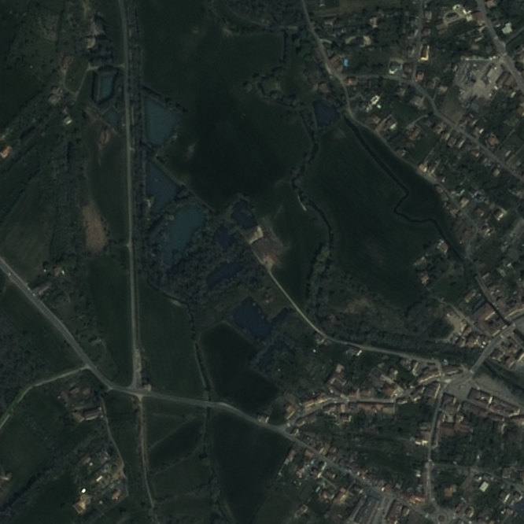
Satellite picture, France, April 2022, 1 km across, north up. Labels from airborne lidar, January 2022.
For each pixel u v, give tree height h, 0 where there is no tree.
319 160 0
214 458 0
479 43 0
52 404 0
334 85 0
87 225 0
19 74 0
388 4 0
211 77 0
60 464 21
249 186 0
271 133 0
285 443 0
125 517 20
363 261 0
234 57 0
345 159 0
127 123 0
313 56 13
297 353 15
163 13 0
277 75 17
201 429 11
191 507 0
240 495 0
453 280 15
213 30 0
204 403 0
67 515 0
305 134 0
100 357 6
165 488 0
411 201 0
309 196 0
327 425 0
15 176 0
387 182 0
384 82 15
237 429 0
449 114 0
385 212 0
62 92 0
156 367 0
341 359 0
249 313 0
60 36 6
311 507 0
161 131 0
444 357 0
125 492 0
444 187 0
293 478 0
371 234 0
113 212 0
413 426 0
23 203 0
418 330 13
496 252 0
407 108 0
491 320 0
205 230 14
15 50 15
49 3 0
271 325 0
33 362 25
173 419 0
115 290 0
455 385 0
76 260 18
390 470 0
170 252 0
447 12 0
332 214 0
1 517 24
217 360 0
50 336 0
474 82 0
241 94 0
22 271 0
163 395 0
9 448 0
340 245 0
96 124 0
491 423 18
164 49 0
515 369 0
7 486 15
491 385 0
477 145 0
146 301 0
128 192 0
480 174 0
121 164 0
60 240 8
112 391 0
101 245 0
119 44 0
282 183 0
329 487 0
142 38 0
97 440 6
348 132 0
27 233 0
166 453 0
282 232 0
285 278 0
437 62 0
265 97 0
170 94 0
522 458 0
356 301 0
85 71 0
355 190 0
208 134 0
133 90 13
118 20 0
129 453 0
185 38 0
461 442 7
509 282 0
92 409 0
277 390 0
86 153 0
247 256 24
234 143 0
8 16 0
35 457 0
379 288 0
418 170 0
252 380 0
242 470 0
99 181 0
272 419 0
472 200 0
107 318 0
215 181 0
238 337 0
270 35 0
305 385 0
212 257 26
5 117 0
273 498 0
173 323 0
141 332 0
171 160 0
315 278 20
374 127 0
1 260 0
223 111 0
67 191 13
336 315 0
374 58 0
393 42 6
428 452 0
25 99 0
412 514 0
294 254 0
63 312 0
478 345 0
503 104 8
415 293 0
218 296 17
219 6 0
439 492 12
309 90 0
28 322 0
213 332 0
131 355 0
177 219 0
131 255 0
